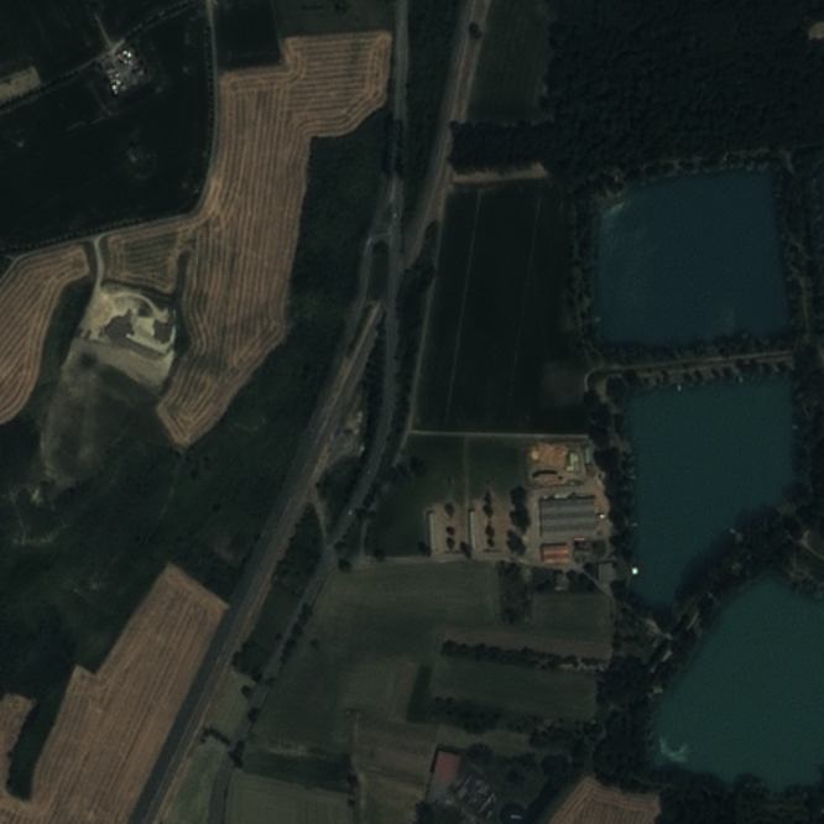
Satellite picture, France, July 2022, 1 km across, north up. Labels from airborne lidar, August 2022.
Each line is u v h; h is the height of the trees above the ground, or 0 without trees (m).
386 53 0
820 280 28
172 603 0
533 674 0
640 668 30
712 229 0
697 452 0
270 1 0
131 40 8
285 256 0
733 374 20
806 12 22
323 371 9
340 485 0
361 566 0
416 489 0
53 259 0
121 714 0
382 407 7
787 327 0
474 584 0
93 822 0
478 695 0
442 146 0
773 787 0
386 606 0
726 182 0
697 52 18
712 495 0
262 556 0
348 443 0
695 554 0
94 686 0
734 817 24
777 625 0
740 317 0
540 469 0
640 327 0
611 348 16
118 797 0
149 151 0
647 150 12
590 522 0
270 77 0
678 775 28
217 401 0
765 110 20
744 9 31
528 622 0
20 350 0
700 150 11
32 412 0
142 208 0
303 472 0
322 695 0
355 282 15
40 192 0
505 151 27
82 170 0
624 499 21
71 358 0
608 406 9
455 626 0
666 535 0
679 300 0
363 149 7
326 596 0
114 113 0
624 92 19
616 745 12
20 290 0
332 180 11
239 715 0
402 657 0
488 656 6
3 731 0
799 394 13
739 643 0
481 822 0
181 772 0
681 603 13
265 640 0
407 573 0
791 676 0
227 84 0
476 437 0
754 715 0
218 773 0
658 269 0
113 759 0
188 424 0
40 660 12
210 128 6
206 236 0
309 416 12
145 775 0
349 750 0
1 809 0
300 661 0
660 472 0
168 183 0
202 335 0
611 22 26
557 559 0
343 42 0
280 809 0
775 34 23
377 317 0
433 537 0
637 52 25
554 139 17
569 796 0
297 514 0
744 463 0
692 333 0
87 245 0
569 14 35
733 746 0
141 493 6
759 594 0
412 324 14
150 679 0
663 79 23
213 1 0
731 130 13
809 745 0
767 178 0
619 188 14
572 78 24
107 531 7
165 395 0
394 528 0
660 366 0
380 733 0
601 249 0
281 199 0
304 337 13
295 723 0
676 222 0
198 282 0
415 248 0
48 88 7
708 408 0
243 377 0
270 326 0
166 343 0
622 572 0
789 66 34
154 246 0
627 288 0
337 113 0
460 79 0
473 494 0
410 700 0
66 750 0
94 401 0
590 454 0
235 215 0
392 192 0
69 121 0
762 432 0
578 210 8
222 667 0
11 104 8
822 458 25
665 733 0
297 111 0
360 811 0
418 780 0
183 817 0
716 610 21
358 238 13
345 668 0
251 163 0
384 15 0
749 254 0
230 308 0
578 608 0
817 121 28
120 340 0
